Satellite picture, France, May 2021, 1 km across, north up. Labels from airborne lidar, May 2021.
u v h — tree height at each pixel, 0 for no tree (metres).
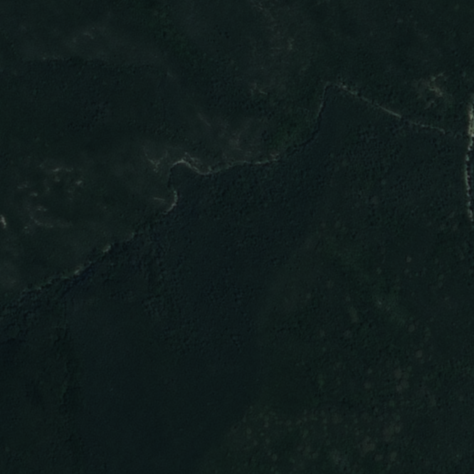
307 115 10
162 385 7
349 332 13
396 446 9
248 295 9
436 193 10
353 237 9
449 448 7
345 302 8
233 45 6
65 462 7
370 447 13
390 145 7
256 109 6
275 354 7
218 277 9
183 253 9
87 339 6
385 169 23
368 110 11
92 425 7
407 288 8
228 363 7
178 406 6
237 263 9
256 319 7
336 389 14
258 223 8
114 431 6
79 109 7
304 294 7
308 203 9
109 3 9
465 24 6
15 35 6
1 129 7
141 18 9
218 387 6
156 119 8
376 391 10
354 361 9
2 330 7
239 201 8
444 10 7
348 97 11
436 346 6
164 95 6
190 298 6
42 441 6
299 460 7
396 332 7
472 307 6
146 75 5
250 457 8
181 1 6
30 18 5
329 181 9
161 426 6
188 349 7
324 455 7
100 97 8
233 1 6
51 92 8
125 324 5
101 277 8
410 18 7
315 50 8
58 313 7
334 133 5
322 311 8
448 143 7
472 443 12
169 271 11
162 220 9
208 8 7
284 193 13
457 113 6
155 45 7
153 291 15
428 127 10
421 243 6
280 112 6
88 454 7
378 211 8
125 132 7
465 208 18
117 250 20
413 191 6
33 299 8
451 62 9
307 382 7
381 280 6
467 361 17
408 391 9
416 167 11
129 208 6
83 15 5
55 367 7
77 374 12
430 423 8
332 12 8
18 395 8
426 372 8
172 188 20
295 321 8
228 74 8
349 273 6
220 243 7
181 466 5
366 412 14
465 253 11
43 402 15
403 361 12
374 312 8
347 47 6
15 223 7
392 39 7
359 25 6
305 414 7
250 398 6
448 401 8
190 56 13
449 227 9
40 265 8
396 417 11
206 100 8
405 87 8
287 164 10
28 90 8
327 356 9
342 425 6
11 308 13
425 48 6
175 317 11
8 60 6
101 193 6
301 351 7
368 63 9
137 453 6
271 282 7
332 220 9
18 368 14
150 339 7
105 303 7
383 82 7
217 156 12
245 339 7
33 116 7
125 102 6
